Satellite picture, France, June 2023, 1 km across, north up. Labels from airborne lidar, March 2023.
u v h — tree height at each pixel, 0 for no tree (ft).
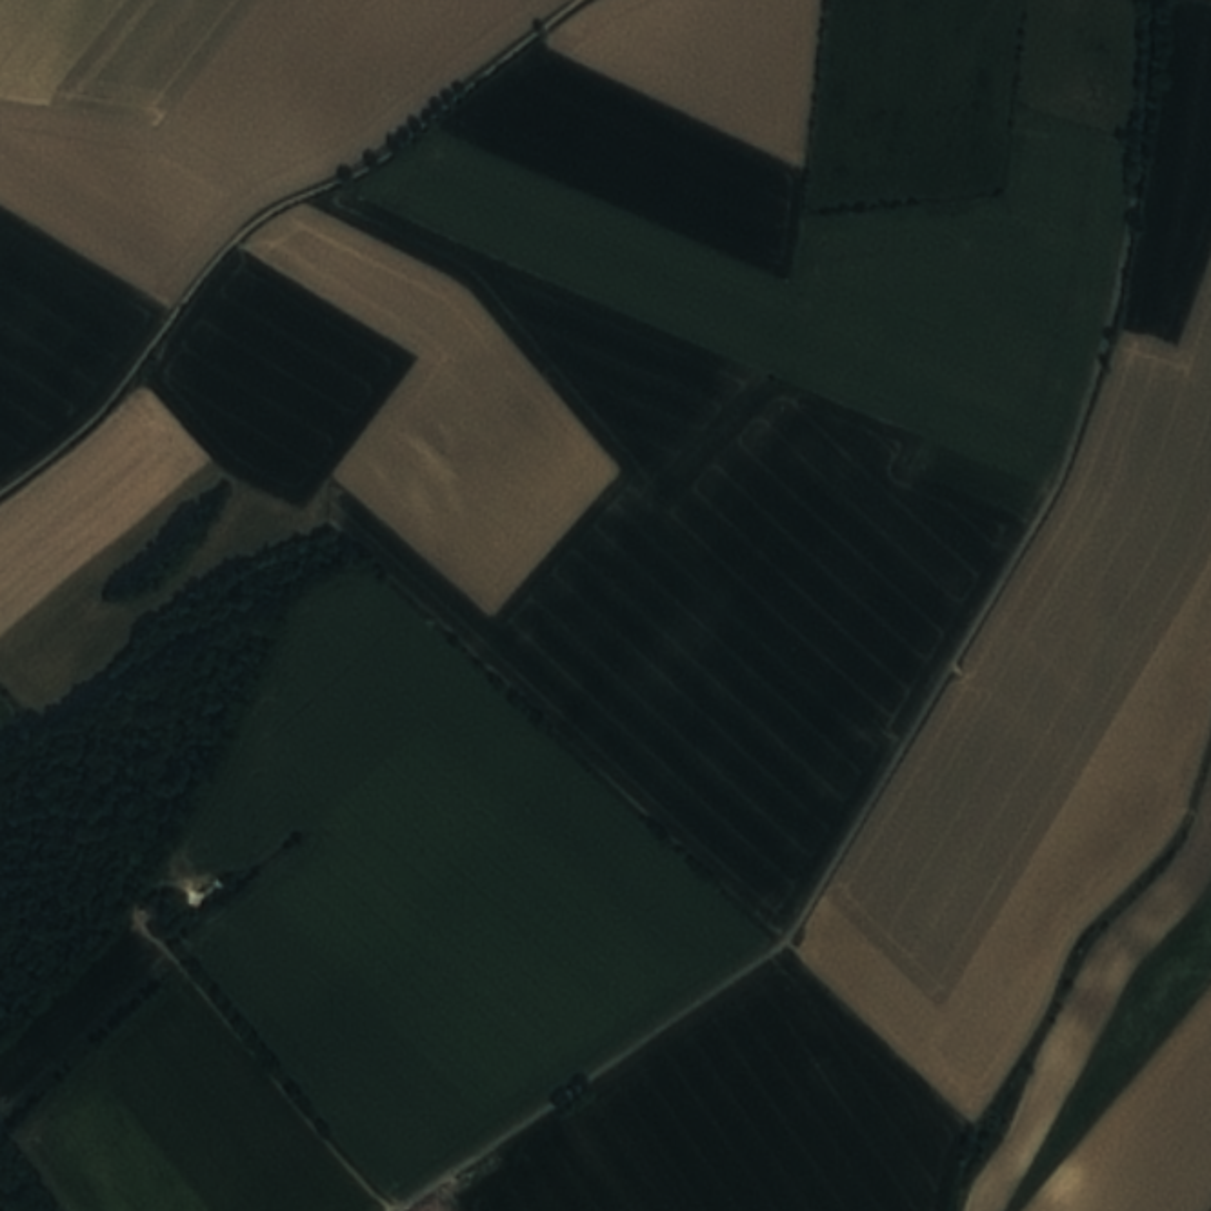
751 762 0
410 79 0
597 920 0
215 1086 0
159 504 0
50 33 0
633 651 0
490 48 0
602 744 0
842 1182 0
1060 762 0
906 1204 0
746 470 0
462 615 0
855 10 0
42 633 0
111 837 82
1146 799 0
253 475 0
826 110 0
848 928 0
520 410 0
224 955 0
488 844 0
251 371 0
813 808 0
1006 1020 0
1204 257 0
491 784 0
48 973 59
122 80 0
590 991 0
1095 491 0
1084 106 0
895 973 0
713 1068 0
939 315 0
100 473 0
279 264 0
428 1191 0
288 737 0
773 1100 0
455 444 0
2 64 0
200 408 0
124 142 0
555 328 0
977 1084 0
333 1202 0
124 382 0
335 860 0
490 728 0
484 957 0
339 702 0
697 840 0
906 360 0
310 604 0
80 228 0
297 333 0
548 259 0
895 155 0
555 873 0
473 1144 0
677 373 0
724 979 0
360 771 0
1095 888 0
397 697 0
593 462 0
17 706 0
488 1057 0
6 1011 65
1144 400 0
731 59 0
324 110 0
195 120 0
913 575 0
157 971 0
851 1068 0
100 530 0
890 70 0
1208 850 0
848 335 0
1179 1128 0
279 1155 0
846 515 0
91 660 0
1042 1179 0
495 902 0
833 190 0
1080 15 0
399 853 0
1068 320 0
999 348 0
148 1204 0
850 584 0
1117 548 0
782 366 0
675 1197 0
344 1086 0
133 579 67
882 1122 0
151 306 0
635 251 0
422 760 0
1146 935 0
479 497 0
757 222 0
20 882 62
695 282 0
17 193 0
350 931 0
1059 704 0
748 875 0
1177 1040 0
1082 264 0
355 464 0
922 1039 0
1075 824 0
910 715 0
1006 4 0
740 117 0
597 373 0
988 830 0
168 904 28
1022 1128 0
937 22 0
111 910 72
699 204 0
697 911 0
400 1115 0
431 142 0
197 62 0
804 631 0
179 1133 0
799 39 0
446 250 0
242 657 64
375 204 0
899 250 0
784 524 0
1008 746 0
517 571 0
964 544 0
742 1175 0
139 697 70
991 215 0
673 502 0
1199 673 0
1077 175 0
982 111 0
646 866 0
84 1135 0
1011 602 0
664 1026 0
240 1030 41
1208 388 0
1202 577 0
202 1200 0
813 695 0
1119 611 0
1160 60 53
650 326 0
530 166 0
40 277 0
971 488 0
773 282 0
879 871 0
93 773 82
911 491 0
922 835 0
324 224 0
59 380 0
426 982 0
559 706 0
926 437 0
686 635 0
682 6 0
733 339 0
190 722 41
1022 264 0
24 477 0
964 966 0
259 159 0
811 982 0
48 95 0
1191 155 0
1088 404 0
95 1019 0
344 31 0
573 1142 0
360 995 0
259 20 0
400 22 0
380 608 0
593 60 0
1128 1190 0
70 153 0
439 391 0
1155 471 0
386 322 0
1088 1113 0
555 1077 0
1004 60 0
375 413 0
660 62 0
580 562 0
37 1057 0
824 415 0
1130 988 0
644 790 0
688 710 0
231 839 0
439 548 0
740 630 0
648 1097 0
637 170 0
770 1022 0
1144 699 0
